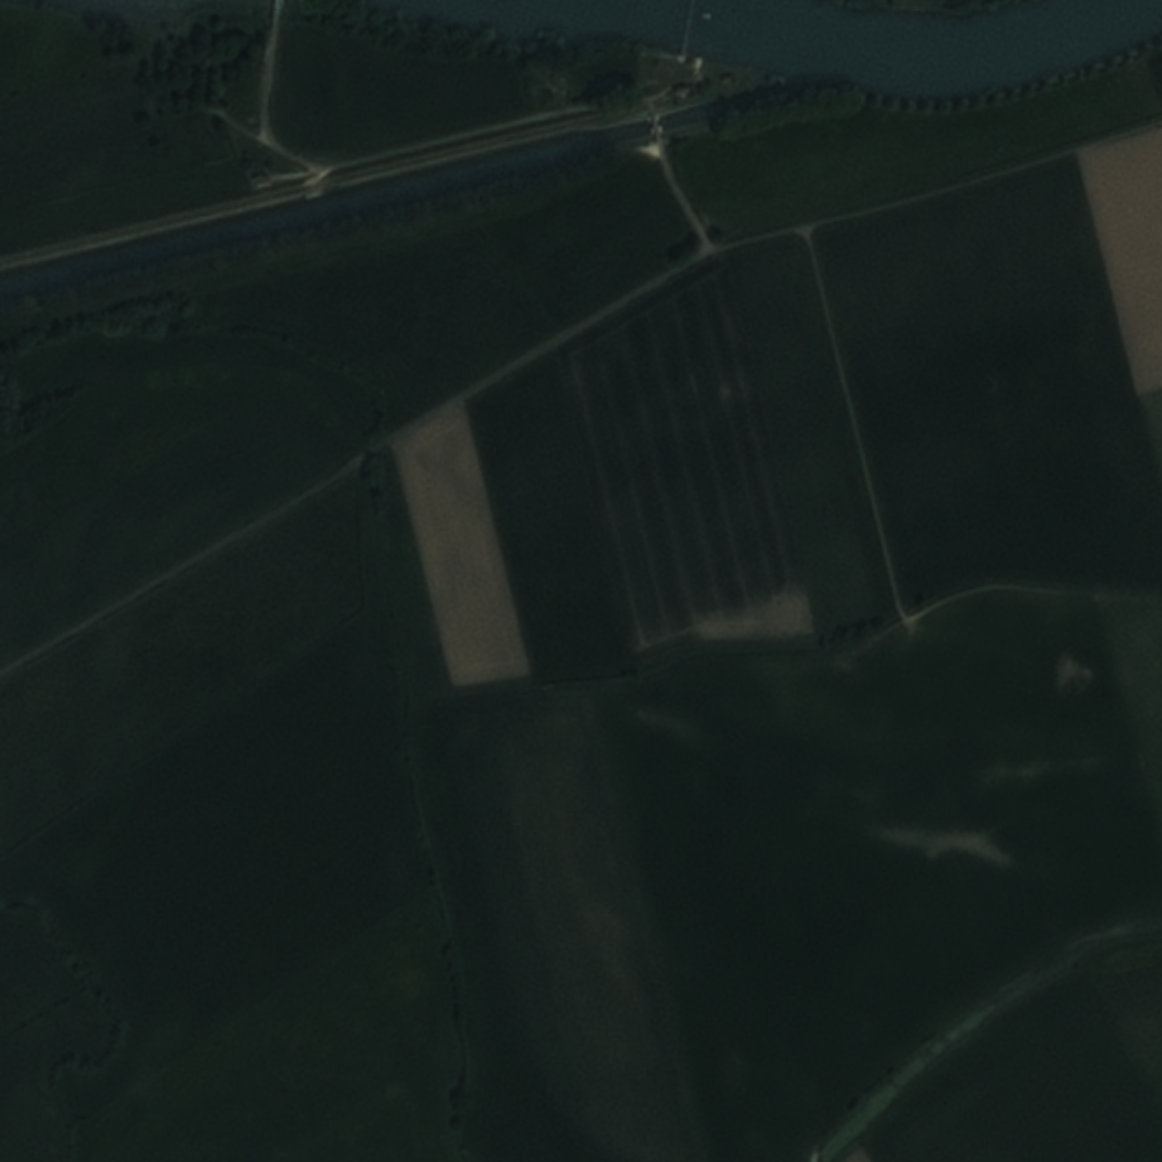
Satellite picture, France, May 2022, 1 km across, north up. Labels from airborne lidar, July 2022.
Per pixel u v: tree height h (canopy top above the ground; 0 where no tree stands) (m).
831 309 0
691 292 0
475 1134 0
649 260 0
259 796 0
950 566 0
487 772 0
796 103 30
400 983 0
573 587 0
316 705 0
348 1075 0
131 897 0
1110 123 0
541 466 0
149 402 0
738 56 0
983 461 0
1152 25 0
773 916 0
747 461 0
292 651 0
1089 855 0
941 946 0
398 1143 0
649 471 0
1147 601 0
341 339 0
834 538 0
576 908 0
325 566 0
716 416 0
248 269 19
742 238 0
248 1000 0
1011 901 0
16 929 0
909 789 0
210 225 0
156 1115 0
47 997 0
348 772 0
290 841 0
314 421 0
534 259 0
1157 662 0
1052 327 0
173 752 0
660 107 0
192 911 0
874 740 0
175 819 0
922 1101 0
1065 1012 0
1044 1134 0
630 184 0
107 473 0
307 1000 0
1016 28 0
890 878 0
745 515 0
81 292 25
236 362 0
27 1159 0
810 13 0
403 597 0
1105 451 0
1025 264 0
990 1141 0
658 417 0
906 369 0
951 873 0
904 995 0
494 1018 0
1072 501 0
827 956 0
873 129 0
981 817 0
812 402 0
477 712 0
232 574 0
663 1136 0
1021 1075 0
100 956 0
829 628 0
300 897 0
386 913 0
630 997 0
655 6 0
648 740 0
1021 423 0
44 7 10
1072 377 0
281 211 0
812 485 0
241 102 0
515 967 0
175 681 0
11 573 0
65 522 0
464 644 0
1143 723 0
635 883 0
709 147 0
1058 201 0
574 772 0
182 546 0
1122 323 0
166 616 0
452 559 0
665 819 0
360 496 0
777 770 0
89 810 0
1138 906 0
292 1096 0
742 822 0
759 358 0
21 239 0
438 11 0
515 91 0
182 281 22
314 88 0
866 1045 0
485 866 0
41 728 0
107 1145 0
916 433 0
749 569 0
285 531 0
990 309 0
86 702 0
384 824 0
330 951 0
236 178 0
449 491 0
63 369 0
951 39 0
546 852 0
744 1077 0
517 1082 0
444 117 0
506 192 25
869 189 0
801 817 0
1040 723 0
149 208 0
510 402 0
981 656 0
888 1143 0
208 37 14
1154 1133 0
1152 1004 0
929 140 0
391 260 0
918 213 0
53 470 0
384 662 0
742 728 0
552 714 0
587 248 0
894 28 0
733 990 0
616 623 0
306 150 0
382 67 0
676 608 0
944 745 0
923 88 0
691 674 0
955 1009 0
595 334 0
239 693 0
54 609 0
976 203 0
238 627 0
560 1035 0
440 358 0
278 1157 0
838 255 0
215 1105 0
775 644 0
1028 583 0
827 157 0
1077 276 0
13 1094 0
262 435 0
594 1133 0
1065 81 10
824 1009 0
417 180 0
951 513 0
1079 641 0
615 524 0
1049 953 0
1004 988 0
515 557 0
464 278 0
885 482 0
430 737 0
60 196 0
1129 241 0
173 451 0
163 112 10
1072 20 0
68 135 0
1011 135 0
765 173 0
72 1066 11
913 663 0
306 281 0
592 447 0
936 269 0
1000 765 0
